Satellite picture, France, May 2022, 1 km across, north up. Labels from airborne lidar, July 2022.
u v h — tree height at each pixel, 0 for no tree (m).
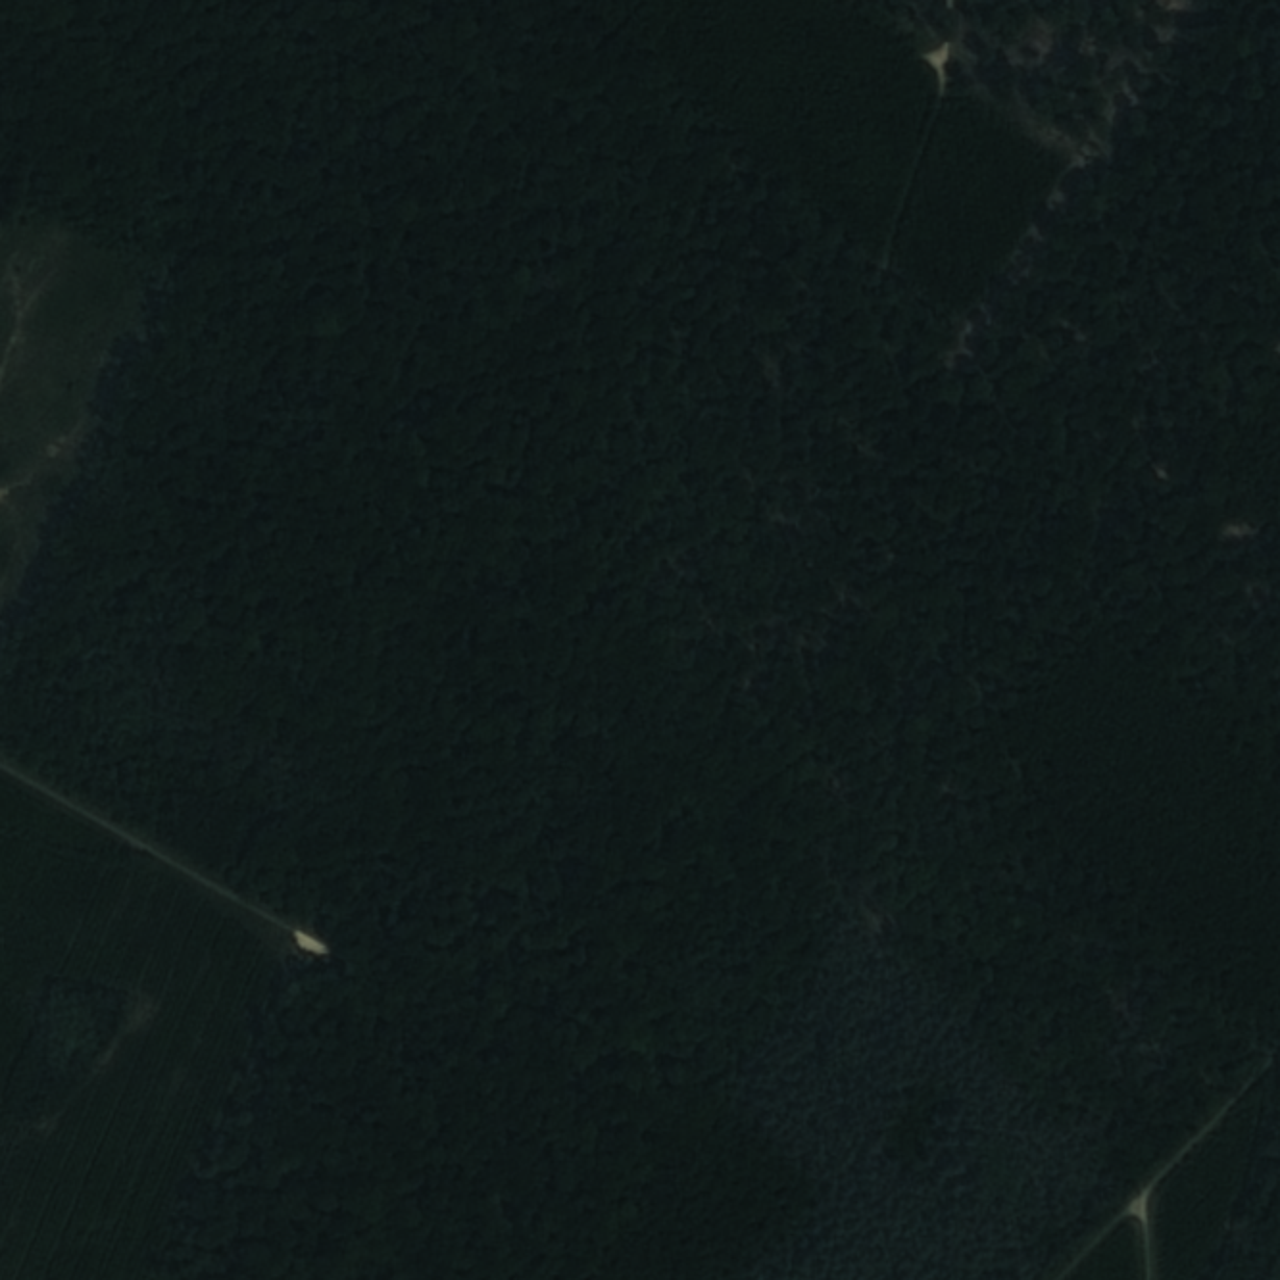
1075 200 27
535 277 30
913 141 9
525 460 25
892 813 21
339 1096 27
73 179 31
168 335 25
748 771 28
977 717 29
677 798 20
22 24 16
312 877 26
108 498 24
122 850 7
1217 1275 25
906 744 25
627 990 24
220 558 12
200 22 27
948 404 14
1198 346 30
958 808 25
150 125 24
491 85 29
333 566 29
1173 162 28
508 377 28
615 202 20
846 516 26
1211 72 31
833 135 8
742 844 30
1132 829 19
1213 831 17
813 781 24
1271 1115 9
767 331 22
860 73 9
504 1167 29
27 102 32
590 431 24
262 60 27
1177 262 27
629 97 28
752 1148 23
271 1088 29
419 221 30
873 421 26
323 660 27
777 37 10
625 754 26
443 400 31
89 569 24
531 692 27
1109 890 16
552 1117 31
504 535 29
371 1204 32
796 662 23
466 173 31
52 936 6
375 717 25
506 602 29
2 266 0
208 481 26
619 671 27
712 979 25
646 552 24
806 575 25
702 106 12
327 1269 31
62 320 0
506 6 31
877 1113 25
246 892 25
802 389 26
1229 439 22
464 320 32
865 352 26
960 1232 29
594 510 24
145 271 24
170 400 28
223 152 21
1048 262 26
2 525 0
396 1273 27
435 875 26
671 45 10
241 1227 30
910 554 26
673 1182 18
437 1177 28
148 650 25
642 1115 28
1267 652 29
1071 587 32
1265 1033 15
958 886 24
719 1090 22
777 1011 14
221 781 26
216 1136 28
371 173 29
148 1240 6
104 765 18
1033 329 27
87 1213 6
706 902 30
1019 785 14
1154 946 29
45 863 5
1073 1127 22
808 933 26
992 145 8
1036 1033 24
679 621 21
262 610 27
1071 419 30
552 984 26
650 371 25
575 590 27
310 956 11
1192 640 23
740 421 26
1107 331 29
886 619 25
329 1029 28
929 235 9
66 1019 18
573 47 28
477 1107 24
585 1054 28
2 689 26
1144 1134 27
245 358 21
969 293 7
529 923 29
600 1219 25
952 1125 31
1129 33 33
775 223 31
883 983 33
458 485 27
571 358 27
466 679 31
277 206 29
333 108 22
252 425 28
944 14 31
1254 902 17
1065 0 21
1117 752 16
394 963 32
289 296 26
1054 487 29
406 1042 28
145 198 26
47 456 0
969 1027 20
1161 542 32
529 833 28
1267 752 9
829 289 29
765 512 22
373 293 28
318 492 30
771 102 8
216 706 26
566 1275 28
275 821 25
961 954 22
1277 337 30
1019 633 27
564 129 23
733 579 25
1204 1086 27
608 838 29
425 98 27
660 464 27
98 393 0
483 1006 25
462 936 29
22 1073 13
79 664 24
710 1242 18
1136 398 27
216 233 28
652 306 28
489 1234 29
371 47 28
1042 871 20
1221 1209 6
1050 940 25
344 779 21
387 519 29
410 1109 28
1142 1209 0
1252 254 27
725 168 24
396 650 30
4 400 0
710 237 25
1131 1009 29
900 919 20
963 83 29
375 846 29
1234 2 21
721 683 28
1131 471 26
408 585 28
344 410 32
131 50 27
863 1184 33
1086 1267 6
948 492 27
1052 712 16
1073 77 35
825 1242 32
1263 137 27
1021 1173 21
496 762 23
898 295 29
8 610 0
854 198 10
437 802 28
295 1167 30
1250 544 16
